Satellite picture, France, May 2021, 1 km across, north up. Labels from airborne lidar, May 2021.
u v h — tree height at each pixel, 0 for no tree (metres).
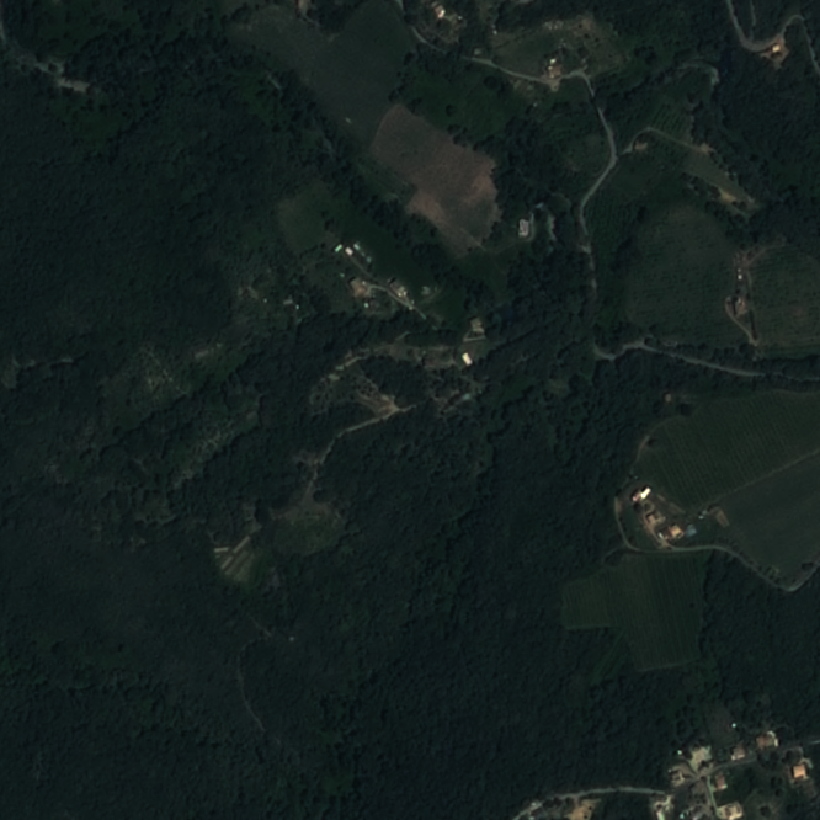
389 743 21
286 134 23
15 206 13
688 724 11
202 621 10
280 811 13
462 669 18
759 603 13
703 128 13
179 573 6
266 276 9
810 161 7
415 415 14
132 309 9
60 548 8
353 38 0
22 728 14
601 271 8
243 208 15
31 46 19
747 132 10
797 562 0
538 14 18
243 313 6
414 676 14
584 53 9
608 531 13
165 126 19
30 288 12
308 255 6
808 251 14
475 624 19
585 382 31
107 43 21
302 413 10
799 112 5
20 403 18
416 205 0
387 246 0
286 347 19
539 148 27
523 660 14
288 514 0
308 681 13
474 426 21
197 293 11
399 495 15
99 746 14
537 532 6
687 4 9
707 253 0
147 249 18
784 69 8
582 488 16
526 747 10
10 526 14
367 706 20
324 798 20
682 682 14
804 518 0
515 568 12
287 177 18
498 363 16
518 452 17
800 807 6
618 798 8
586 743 7
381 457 18
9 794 7
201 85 8
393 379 12
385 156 0
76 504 9
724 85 16
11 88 18
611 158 0
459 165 0
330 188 6
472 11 18
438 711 18
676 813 5
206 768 13
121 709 14
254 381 12
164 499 10
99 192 13
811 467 0
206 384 10
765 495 0
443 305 0
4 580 11
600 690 17
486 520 18
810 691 12
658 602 0
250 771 11
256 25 0
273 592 14
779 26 11
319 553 8
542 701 9
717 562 14
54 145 21
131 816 14
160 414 17
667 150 6
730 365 13
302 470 12
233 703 8
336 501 6
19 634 14
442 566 18
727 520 0
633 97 23
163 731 17
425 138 0
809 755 8
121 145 26
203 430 6
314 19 11
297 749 10
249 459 14
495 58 6
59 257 13
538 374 17
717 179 0
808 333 0
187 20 12
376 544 9
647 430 10
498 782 13
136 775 11
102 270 10
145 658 7
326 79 0
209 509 8
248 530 11
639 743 8
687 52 12
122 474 12
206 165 15
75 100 30
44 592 10
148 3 15
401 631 17
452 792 15
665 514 0
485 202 0
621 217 8
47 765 10
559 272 34
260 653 15
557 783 7
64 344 14
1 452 12
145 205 14
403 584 22
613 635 12
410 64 11
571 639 12
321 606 10
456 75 17
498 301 28
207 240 14
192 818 9
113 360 15
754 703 7
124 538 10
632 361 12
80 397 8
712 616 12
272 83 6
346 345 18
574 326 15
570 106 13
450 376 15
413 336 8
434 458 17
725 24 9
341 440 8
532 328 11
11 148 15
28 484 6
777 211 18
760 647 7
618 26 11
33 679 8
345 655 12
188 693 6
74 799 6
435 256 20
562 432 15
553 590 11
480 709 11
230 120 16
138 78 24
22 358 14
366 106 0
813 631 7
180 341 14
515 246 0
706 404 0
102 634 8
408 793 18
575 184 9
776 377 16
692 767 0
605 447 11
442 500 17
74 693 23
